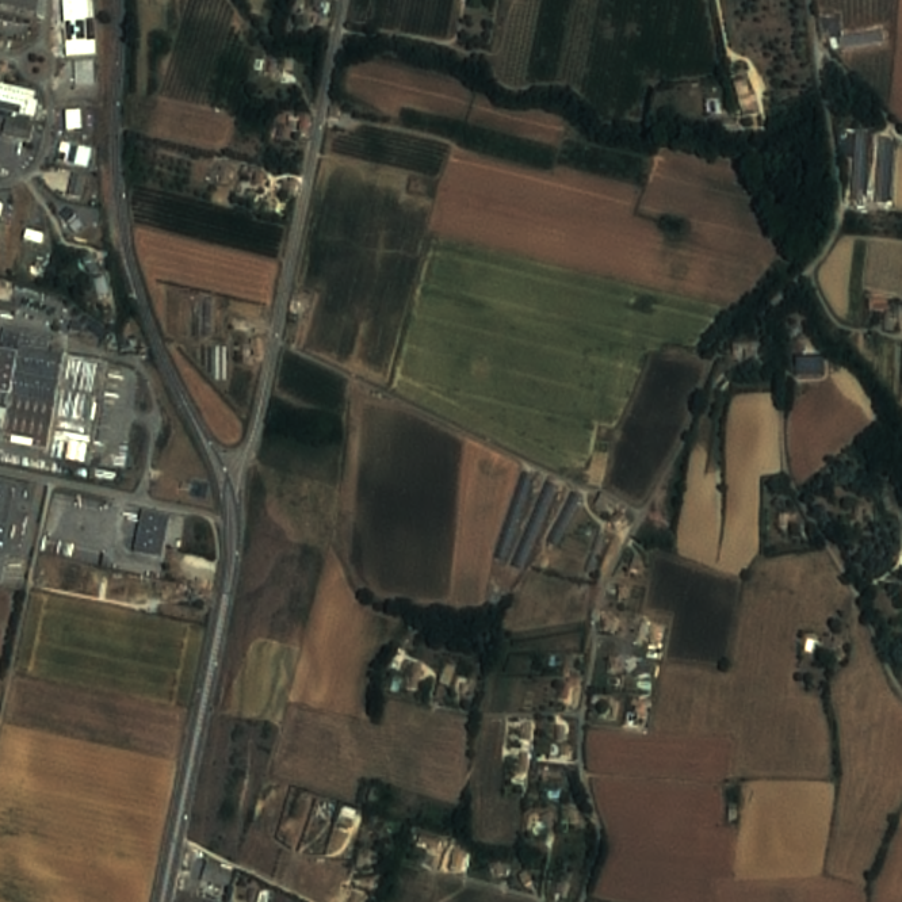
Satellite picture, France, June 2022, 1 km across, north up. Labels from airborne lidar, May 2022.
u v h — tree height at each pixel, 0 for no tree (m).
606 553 0
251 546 0
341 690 0
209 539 0
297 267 0
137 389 0
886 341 0
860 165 0
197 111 0
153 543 0
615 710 0
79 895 0
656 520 0
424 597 0
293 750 0
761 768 0
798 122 8
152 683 0
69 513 0
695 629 0
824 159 20
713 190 0
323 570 0
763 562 0
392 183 0
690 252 0
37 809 0
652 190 0
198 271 0
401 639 0
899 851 0
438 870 0
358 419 0
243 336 0
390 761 0
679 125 12
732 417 0
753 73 0
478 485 0
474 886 0
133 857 0
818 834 0
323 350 0
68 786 0
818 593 0
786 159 24
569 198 0
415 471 0
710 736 0
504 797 8
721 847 0
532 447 0
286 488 0
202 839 0
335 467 0
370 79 0
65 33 0
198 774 0
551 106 19
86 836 0
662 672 0
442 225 0
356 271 0
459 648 15
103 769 0
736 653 0
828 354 12
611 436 0
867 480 13
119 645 0
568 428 0
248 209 7
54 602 0
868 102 19
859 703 0
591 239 0
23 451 0
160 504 0
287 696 0
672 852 0
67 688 0
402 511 0
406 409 0
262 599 0
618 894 0
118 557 0
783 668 0
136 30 20
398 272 0
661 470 0
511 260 0
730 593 0
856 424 0
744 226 0
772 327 11
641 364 0
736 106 11
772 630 0
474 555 0
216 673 0
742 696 0
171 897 0
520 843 8
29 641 0
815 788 0
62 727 0
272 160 14
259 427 0
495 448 0
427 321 0
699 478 0
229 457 0
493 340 0
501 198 0
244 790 0
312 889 0
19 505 0
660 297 0
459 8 0
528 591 0
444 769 0
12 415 0
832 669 9
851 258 0
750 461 0
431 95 0
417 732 0
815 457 0
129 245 0
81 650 0
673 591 0
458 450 0
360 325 0
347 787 0
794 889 0
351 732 0
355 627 0
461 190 0
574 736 0
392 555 0
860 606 15
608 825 0
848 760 0
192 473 0
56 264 7
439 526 0
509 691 0
